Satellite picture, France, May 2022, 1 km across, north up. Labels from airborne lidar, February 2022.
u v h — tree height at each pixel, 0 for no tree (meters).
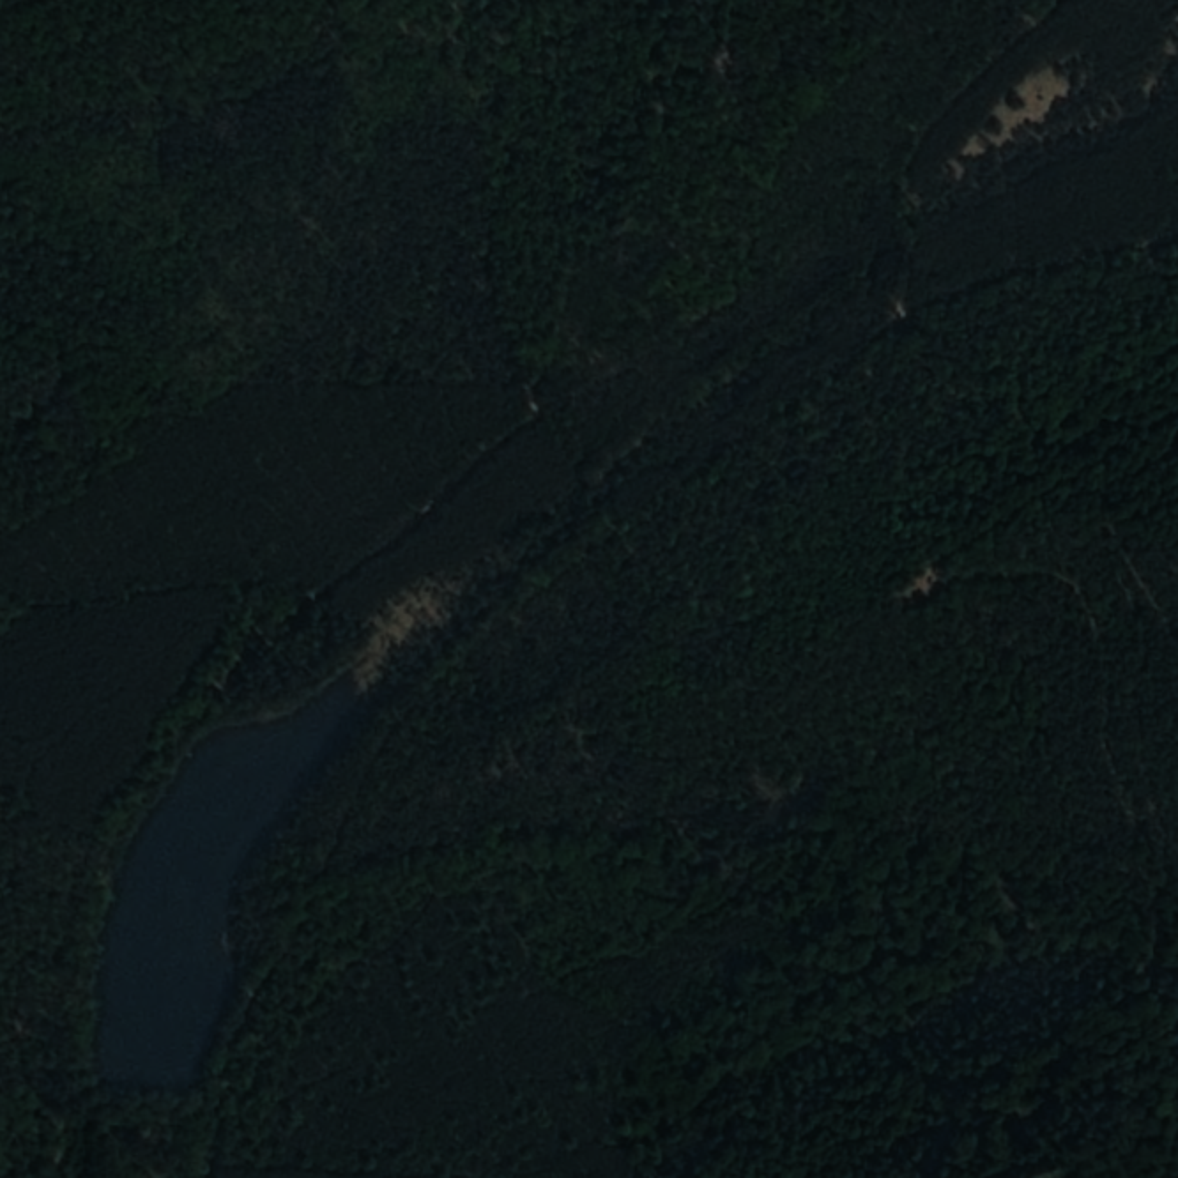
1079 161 19
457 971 11
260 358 23
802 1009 31
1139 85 10
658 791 25
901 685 25
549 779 19
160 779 14
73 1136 10
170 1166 19
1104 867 31
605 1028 13
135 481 17
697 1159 11
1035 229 17
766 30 25
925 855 34
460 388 18
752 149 26
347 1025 13
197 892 0
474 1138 10
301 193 25
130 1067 0
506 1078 11
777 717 23
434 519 16
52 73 30
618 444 25
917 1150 36
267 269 27
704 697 18
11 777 14
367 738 29
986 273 16
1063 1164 15
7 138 32
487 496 17
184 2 27
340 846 26
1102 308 30
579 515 29
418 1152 8
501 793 23
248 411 17
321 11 26
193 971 0
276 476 20
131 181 30
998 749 30
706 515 30
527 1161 12
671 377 23
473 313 32
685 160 23
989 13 26
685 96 21
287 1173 18
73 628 17
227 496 15
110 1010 0
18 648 15
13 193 26
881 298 23
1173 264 28
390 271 27
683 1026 31
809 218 22
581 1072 10
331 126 27
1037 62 13
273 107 27
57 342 26
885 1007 33
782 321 19
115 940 0
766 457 28
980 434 34
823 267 23
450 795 24
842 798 29
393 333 25
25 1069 27
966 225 19
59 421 27
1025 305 28
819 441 28
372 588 18
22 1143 28
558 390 24
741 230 25
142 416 28
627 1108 14
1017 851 30
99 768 17
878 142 19
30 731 15
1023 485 32
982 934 29
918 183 15
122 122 32
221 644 29
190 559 16
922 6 18
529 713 26
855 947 39
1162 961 20
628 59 26
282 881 25
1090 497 31
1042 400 37
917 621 24
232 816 0
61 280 28
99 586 20
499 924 9
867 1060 31
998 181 16
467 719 27
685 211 25
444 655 30
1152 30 21
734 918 11
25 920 22
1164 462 36
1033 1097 22
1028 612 30
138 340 24
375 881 31
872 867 35
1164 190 19
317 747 0
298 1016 26
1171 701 24
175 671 13
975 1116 39
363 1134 10
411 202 26
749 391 26
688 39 28
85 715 12
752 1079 30
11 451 26
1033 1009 40
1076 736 26
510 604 27
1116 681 24
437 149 26
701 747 25
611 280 22
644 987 9
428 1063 13
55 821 13
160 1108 22
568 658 24
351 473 20
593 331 20
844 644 19
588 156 30
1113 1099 38
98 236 29
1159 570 12
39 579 20
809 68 27
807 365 22
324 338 25
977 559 20
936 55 23
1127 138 18
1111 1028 40
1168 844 25
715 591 30
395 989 12
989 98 16
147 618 14
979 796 26
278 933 31
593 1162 13
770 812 33
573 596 18
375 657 0
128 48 31
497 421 16
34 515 17
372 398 18
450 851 32
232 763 0
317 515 18
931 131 17
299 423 19
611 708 24
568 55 32
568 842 33
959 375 28
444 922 12
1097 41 19
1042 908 29
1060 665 30
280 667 27
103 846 18
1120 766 21
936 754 31
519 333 29
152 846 0
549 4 27
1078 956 31
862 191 20
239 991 27
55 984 25
